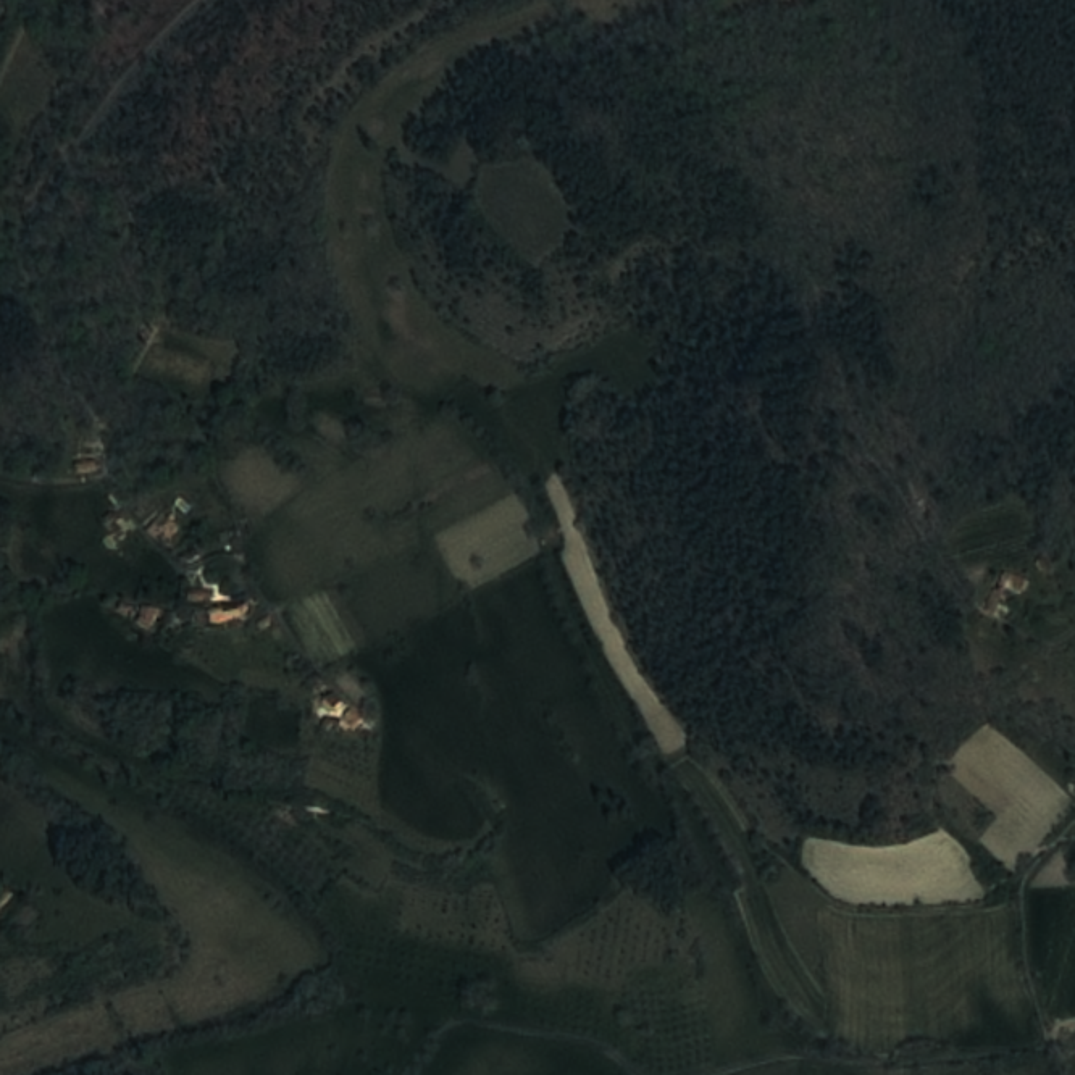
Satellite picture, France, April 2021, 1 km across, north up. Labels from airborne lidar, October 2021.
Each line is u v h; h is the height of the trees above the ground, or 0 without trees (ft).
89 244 73
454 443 0
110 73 44
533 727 0
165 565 0
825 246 50
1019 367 73
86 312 52
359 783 19
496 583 0
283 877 22
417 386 0
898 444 43
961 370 59
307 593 0
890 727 50
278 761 25
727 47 59
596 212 67
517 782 0
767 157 70
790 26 72
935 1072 0
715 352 37
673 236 59
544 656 0
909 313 45
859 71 64
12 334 79
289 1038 0
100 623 0
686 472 50
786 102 85
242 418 73
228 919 0
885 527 74
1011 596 28
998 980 0
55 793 37
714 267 50
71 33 88
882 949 0
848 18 52
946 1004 0
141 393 42
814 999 0
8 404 64
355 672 20
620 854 0
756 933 0
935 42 63
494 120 73
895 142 68
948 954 0
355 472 0
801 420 76
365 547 0
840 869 0
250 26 25
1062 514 43
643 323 43
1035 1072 0
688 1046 26
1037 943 0
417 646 0
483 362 0
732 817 0
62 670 0
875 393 64
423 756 0
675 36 67
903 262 40
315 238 71
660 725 0
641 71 74
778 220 55
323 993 40
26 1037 0
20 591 42
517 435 0
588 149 59
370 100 0
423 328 0
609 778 0
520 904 0
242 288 78
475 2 72
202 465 79
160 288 78
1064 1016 0
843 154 62
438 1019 0
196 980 0
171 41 24
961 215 51
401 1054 0
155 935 0
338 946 24
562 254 21
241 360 39
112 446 33
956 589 67
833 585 63
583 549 0
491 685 0
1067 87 69
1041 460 65
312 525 0
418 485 0
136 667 0
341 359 41
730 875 44
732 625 36
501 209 0
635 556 20
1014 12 55
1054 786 0
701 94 73
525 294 26
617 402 48
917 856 0
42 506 0
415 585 0
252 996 0
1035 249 32
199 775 27
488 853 44
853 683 53
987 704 49
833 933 0
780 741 24
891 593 53
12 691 0
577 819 0
